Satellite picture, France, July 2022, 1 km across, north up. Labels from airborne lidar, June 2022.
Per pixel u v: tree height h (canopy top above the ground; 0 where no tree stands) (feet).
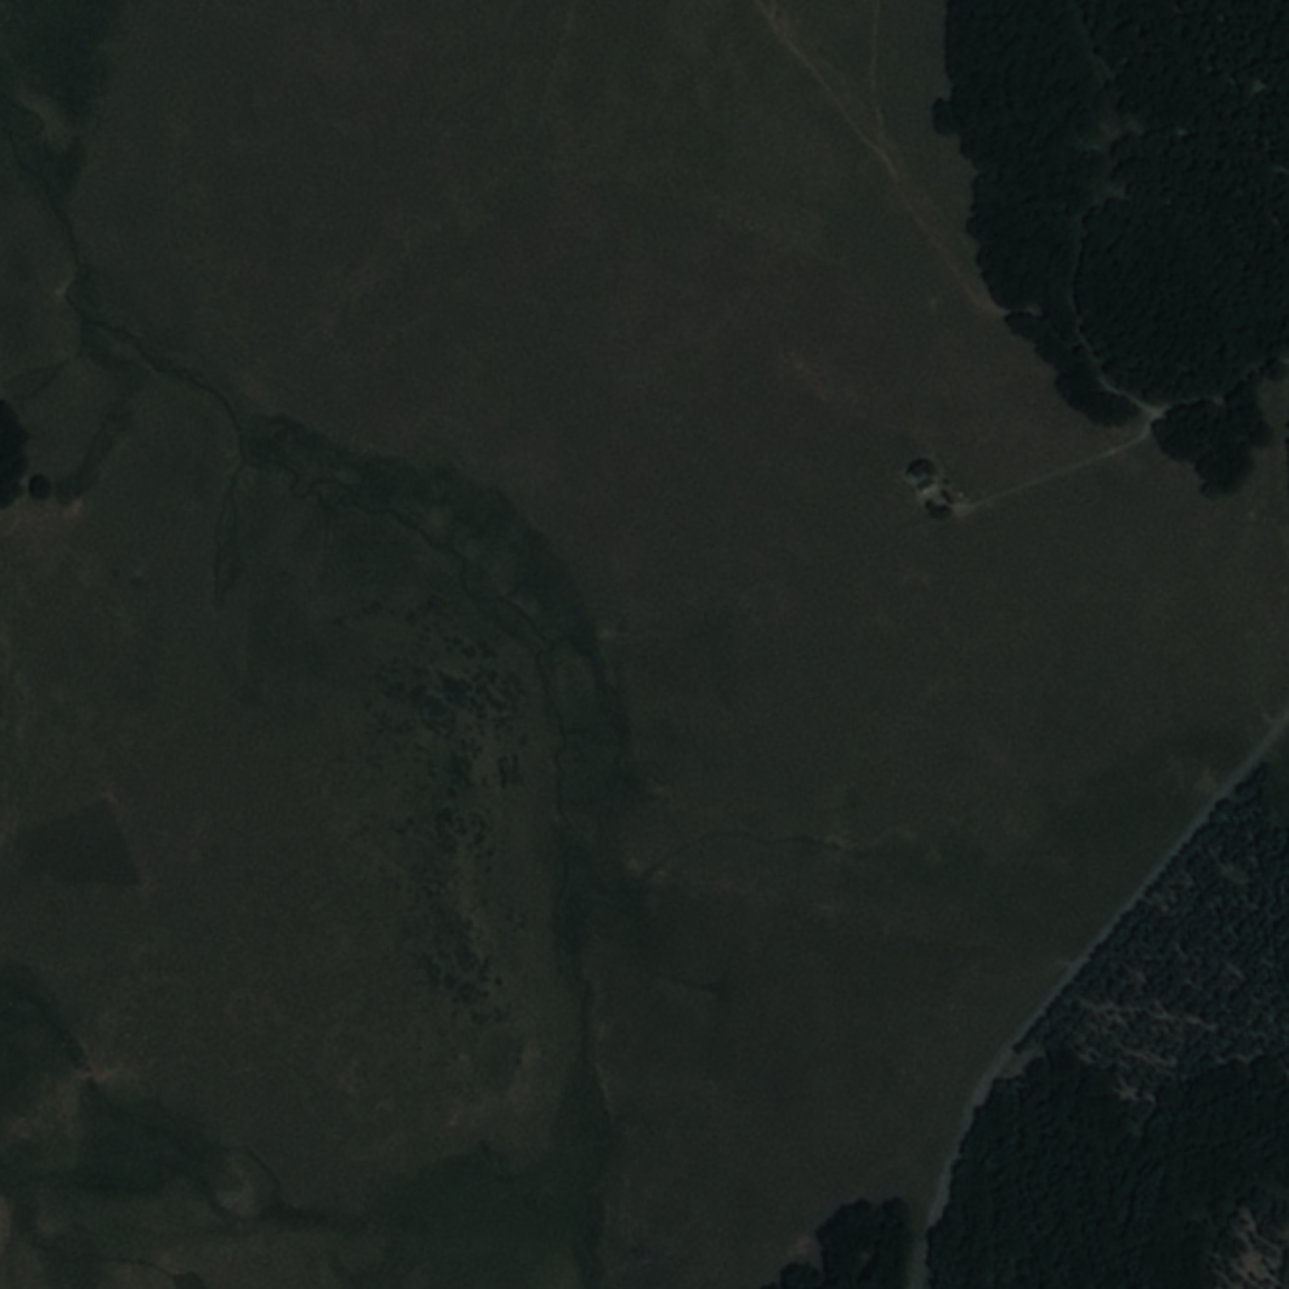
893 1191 0
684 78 0
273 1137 0
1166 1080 44
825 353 0
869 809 0
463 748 0
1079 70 28
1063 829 0
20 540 0
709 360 0
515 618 0
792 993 0
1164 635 0
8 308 0
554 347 0
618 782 0
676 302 0
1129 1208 21
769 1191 0
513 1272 0
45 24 0
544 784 0
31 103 0
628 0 0
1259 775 29
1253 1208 35
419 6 0
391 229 0
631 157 0
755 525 0
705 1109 0
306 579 0
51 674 0
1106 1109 52
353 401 0
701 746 0
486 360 0
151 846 0
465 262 0
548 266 0
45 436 0
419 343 0
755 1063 0
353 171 0
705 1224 0
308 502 0
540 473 0
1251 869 33
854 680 0
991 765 0
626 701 0
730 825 0
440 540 0
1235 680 0
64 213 0
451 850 0
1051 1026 40
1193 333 47
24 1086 0
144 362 0
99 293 0
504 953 0
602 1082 0
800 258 0
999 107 34
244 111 0
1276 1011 44
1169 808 0
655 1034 0
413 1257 0
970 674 0
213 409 0
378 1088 0
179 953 0
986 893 0
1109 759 0
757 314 0
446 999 0
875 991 0
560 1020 0
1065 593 0
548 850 0
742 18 0
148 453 0
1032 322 42
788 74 0
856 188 0
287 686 0
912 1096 0
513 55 0
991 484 0
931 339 0
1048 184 28
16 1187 0
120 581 0
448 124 0
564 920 0
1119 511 0
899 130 0
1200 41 51
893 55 0
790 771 0
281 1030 0
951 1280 35
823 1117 0
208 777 0
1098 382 48
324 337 0
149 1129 0
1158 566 0
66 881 0
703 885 0
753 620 0
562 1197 0
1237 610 0
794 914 0
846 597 0
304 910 0
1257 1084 44
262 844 0
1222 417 29
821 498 0
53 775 0
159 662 0
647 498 0
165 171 0
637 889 0
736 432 0
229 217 0
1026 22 36
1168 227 33
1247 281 44
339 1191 0
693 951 0
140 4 0
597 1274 0
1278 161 52
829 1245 59
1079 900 0
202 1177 0
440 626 0
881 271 0
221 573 0
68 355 0
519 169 0
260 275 0
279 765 0
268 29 0
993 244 32
